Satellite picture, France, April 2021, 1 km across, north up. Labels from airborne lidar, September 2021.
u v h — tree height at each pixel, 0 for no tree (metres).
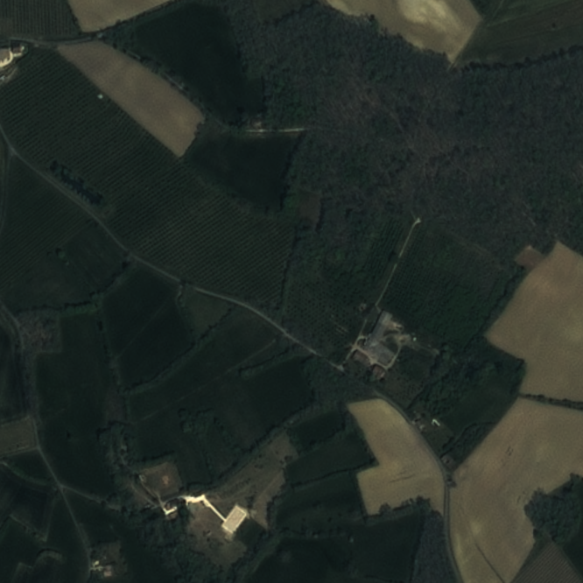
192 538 7
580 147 18
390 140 17
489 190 14
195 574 18
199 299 0
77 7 0
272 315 15
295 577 0
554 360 0
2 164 0
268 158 0
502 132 16
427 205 19
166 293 0
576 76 18
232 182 0
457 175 10
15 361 0
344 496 0
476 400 0
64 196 0
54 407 0
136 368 0
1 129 0
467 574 0
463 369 10
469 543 0
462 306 5
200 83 0
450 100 21
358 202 17
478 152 17
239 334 0
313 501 0
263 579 0
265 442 13
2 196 0
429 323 6
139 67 0
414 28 0
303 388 0
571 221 14
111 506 14
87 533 0
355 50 19
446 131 20
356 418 9
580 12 0
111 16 0
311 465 0
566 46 0
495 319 16
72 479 0
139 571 0
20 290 0
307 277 14
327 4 0
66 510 0
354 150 17
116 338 0
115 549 0
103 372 0
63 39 0
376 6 0
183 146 0
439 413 6
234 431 0
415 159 19
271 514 17
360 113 17
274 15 0
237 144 0
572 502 20
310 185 20
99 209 25
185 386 0
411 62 20
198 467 0
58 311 10
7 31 0
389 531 0
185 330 0
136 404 0
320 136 18
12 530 0
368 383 9
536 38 0
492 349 8
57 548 0
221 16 0
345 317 6
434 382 14
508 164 19
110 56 0
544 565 0
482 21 0
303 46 18
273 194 0
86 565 0
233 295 6
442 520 20
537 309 0
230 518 0
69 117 0
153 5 0
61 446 0
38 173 0
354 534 0
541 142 18
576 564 0
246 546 0
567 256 0
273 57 21
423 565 16
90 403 0
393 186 14
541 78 18
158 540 23
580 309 0
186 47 0
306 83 19
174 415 0
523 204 18
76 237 0
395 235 5
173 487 0
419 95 17
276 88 15
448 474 0
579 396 0
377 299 0
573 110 21
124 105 0
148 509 9
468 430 8
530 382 0
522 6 0
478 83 21
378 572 0
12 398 0
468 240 13
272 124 21
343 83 12
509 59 0
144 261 0
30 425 0
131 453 14
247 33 9
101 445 11
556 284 0
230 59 0
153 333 0
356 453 0
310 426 0
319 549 0
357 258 19
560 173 20
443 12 0
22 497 0
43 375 0
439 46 0
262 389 0
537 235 16
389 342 0
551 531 18
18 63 7
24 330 13
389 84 18
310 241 21
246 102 0
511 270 13
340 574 0
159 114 0
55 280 0
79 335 0
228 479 9
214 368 0
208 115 16
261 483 0
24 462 0
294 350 14
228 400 0
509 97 17
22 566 0
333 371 20
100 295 11
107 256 0
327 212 17
